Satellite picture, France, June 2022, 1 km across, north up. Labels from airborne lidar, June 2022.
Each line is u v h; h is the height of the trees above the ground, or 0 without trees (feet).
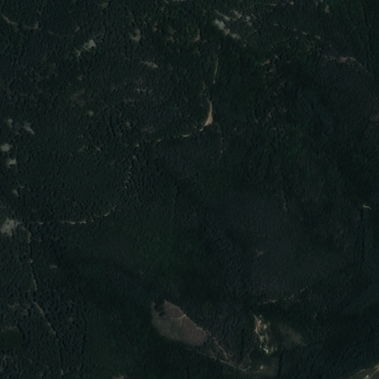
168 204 81
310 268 48
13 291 108
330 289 61
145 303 73
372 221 92
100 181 74
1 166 70
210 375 90
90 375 70
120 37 79
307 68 69
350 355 105
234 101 60
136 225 50
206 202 55
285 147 51
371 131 43
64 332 81
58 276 60
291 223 45
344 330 67
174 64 64
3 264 75
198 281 108
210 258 78
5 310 96
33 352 71
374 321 106
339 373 111
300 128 69
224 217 47
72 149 64
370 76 44
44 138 62
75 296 74
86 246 51
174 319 0
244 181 62
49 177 75
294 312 50
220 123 37
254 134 37
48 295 69
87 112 67
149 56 53
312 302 41
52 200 83
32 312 96
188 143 59
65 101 68
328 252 54
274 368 0
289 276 46
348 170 49
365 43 26
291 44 52
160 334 89
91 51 29
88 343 86
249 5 43
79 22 52
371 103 52
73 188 62
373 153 49
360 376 0
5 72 47
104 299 70
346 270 78
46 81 35
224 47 57
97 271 80
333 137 76
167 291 52
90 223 75
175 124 58
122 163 80
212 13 57
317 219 53
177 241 61
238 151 58
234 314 32
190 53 62
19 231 49
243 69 61
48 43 56
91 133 75
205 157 49
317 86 51
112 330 74
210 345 43
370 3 61
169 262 60
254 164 45
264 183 42
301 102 112
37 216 35
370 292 111
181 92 61
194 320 35
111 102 75
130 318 74
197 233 64
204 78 46
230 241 58
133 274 56
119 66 78
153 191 66
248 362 19
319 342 37
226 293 81
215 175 49
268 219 51
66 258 89
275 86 75
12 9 53
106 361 66
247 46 31
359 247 60
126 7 61
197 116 52
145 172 96
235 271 86
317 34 45
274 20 47
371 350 73
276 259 53
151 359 83
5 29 47
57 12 56
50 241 84
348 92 54
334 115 74
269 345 30
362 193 53
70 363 77
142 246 44
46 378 76
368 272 114
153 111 65
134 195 68
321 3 59
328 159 50
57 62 41
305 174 45
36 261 53
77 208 72
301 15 50
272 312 42
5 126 67
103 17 41
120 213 64
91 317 88
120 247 58
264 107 75
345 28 34
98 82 73
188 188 71
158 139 42
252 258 55
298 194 58
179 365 64
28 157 38
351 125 50
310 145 39
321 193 30
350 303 76
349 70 38
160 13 40
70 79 59
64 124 62
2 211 63
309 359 67
